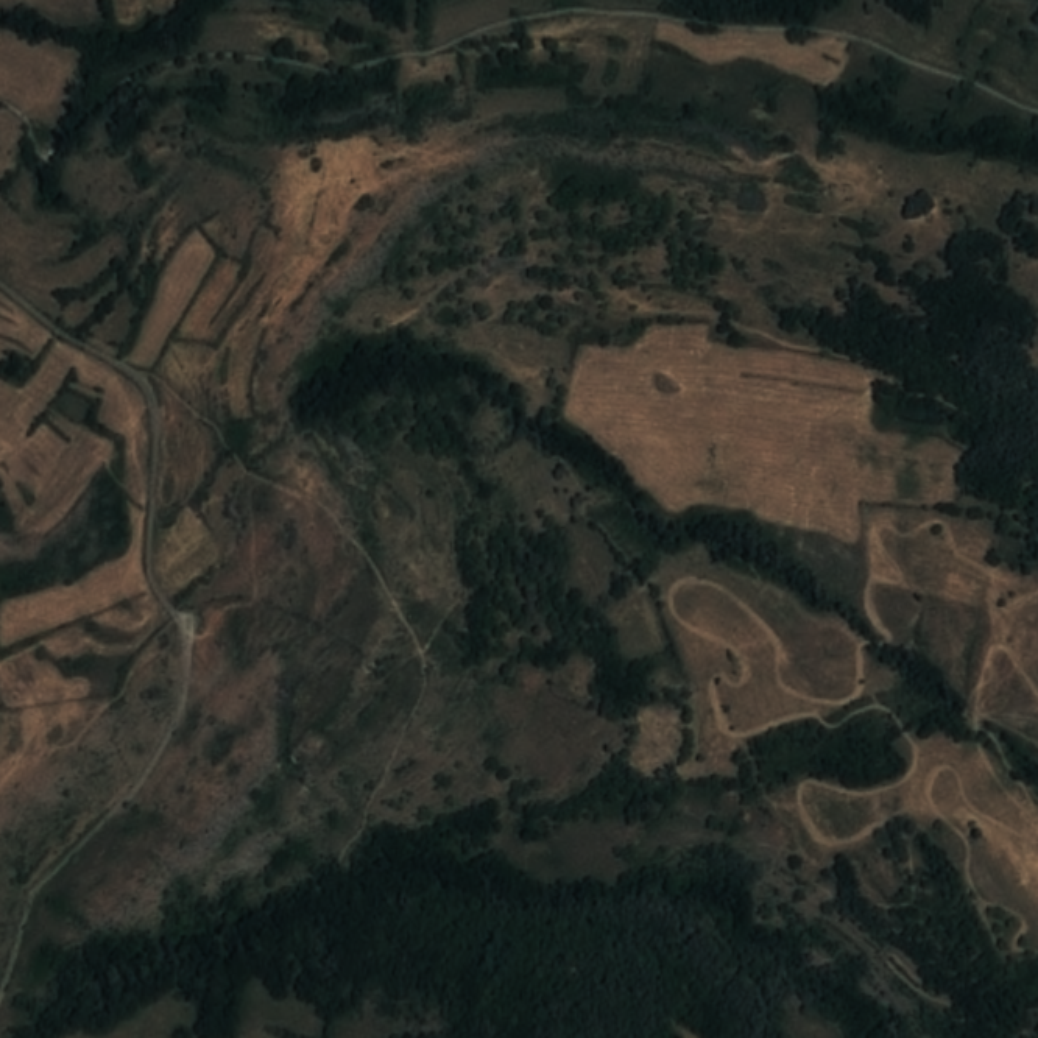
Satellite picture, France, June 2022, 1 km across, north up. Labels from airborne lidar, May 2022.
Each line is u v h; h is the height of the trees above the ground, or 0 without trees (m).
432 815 6
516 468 0
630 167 0
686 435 0
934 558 0
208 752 0
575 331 0
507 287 0
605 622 14
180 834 0
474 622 13
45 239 0
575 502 12
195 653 0
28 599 0
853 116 12
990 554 11
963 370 15
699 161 0
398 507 0
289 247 0
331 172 0
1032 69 0
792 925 10
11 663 0
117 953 13
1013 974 12
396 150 0
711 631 0
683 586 0
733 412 0
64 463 0
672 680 0
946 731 7
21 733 0
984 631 0
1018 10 0
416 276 12
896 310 17
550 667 11
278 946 13
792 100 0
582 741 0
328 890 16
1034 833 0
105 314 6
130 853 0
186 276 0
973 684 0
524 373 0
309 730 0
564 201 12
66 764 0
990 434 16
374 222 0
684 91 0
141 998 12
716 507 0
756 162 0
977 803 0
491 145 0
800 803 0
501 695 0
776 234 0
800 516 0
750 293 0
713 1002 15
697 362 0
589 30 0
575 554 0
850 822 0
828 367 0
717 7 17
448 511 0
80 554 0
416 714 0
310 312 0
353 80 7
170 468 0
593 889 26
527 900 23
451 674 0
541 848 0
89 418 8
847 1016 7
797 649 0
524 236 9
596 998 17
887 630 0
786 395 0
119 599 0
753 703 0
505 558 15
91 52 13
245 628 0
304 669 0
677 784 11
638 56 0
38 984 0
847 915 6
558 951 13
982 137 13
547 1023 10
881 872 0
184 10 17
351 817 0
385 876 29
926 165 0
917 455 0
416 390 11
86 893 0
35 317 0
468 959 15
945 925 15
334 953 20
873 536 0
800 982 16
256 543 0
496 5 0
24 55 0
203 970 21
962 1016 9
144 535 0
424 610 0
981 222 0
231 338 0
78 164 0
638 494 9
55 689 0
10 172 8
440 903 16
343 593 0
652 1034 20
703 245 11
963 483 11
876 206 0
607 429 0
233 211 0
